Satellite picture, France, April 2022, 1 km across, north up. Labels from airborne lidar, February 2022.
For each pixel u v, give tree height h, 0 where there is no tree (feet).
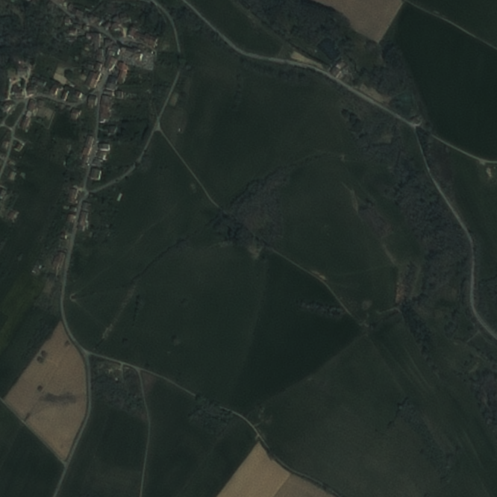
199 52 0
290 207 0
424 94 0
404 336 0
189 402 0
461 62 0
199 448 0
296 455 0
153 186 0
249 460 0
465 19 0
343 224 0
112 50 0
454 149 0
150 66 0
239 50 0
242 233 91
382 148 48
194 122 0
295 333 0
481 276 0
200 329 0
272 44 0
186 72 20
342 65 0
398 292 81
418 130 0
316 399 0
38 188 0
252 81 0
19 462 0
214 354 0
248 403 0
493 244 0
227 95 0
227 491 0
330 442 0
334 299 0
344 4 0
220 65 0
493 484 0
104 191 0
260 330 0
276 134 0
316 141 0
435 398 0
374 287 0
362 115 0
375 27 0
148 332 0
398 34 0
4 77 67
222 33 0
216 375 0
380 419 0
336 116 0
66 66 0
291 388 0
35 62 24
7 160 0
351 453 0
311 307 33
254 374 0
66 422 0
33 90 0
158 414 0
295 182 0
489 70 0
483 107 0
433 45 0
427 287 73
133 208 0
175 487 0
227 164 0
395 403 0
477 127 0
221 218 32
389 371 0
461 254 76
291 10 72
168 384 0
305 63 0
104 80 0
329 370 0
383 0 0
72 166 42
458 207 0
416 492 0
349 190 0
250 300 0
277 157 0
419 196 62
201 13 0
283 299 0
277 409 0
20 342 0
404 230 0
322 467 0
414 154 0
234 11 0
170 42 0
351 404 0
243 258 0
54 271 0
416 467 0
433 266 95
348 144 0
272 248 55
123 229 0
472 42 0
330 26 55
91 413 0
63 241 0
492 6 0
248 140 0
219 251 0
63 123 0
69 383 0
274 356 0
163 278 0
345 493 0
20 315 0
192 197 0
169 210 0
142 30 29
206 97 0
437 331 0
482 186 0
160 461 0
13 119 0
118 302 0
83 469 0
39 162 0
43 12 0
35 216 0
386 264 0
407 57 0
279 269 0
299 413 0
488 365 0
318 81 0
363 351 0
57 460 0
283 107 0
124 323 0
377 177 0
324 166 0
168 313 0
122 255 0
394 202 0
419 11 0
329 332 0
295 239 0
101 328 0
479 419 0
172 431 0
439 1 0
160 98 25
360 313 0
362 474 0
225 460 0
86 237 0
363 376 0
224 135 0
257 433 0
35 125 0
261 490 0
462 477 0
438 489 0
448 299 0
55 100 0
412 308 63
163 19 59
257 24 0
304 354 0
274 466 0
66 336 0
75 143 0
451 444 0
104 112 0
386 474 0
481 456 0
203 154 0
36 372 0
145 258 0
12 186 0
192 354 0
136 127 0
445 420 0
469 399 0
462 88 0
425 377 0
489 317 30
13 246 0
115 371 0
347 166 0
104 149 0
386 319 0
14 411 0
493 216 0
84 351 0
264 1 88
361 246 0
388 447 0
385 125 27
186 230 0
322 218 0
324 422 0
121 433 0
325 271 0
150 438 0
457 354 0
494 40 0
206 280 0
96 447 0
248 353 0
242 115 0
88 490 0
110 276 0
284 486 0
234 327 0
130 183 0
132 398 35
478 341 0
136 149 0
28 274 0
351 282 0
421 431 49
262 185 59
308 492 0
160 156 0
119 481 0
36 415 0
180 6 0
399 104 43
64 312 0
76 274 0
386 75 60
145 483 0
